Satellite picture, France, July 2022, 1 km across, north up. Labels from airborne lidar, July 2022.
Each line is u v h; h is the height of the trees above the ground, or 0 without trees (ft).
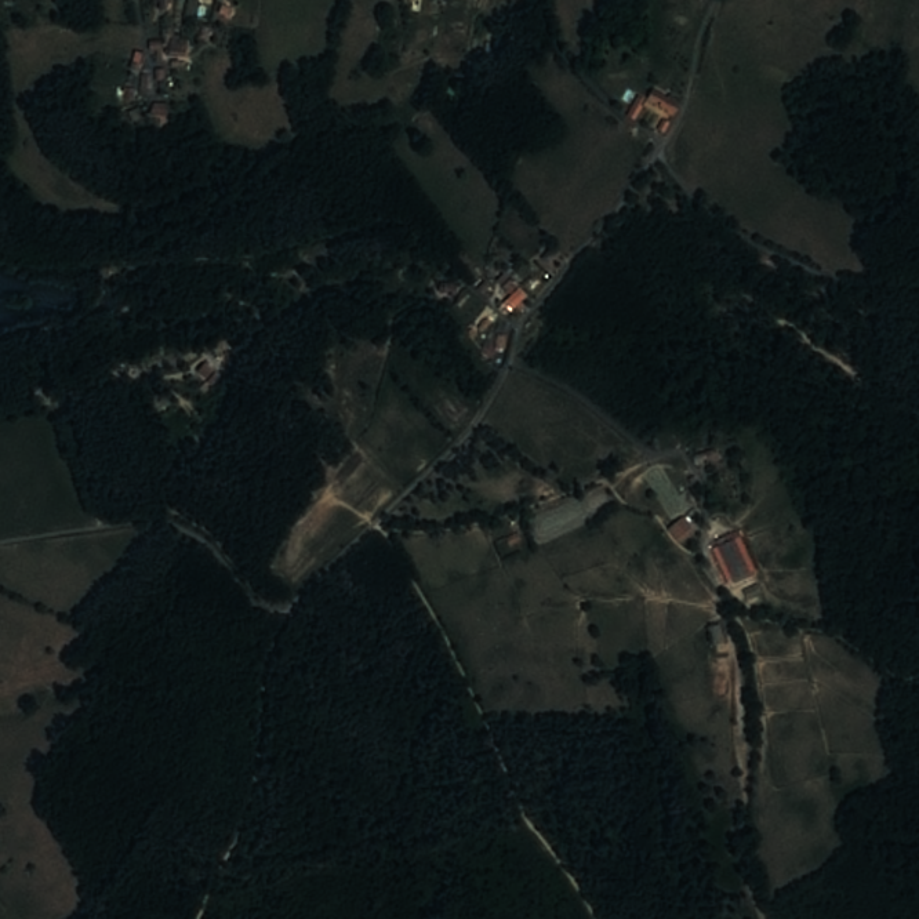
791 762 0
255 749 36
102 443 91
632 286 55
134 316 26
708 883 44
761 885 66
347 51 0
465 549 0
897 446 63
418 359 56
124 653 55
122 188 72
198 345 73
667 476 0
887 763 38
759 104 0
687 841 47
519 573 0
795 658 0
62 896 0
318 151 44
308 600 60
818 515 58
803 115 21
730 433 23
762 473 0
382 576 56
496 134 56
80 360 78
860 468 89
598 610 0
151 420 43
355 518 0
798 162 77
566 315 34
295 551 0
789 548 0
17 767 0
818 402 67
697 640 0
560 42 28
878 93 90
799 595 0
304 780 92
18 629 0
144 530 51
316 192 51
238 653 47
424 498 28
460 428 0
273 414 56
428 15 0
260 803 56
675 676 0
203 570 64
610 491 36
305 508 52
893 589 80
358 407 0
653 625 0
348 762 47
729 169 0
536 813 73
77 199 0
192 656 41
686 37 0
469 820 54
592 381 21
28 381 94
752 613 31
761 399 74
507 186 57
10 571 0
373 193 45
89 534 0
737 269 66
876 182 95
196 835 73
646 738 60
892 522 65
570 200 0
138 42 0
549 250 36
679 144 0
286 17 0
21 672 0
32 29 0
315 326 88
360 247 56
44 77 27
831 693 0
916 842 63
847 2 0
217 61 0
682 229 56
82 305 58
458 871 27
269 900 35
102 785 45
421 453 0
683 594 0
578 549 0
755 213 0
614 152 0
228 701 37
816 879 41
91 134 68
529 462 39
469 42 0
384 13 61
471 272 25
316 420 62
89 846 35
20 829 0
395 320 24
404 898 20
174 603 32
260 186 80
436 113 32
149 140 56
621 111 27
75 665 61
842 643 20
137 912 64
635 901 62
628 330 36
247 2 0
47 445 0
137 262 58
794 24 0
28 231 73
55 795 43
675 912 59
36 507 0
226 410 64
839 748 0
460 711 53
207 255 64
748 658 62
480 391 53
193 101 55
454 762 71
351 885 24
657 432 52
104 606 71
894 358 94
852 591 85
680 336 41
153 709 53
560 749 72
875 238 100
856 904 47
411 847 79
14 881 0
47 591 0
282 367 73
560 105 0
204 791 36
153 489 67
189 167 76
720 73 0
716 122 0
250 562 52
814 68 46
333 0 0
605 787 101
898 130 81
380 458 0
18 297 36
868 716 0
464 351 40
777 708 0
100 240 61
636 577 0
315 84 66
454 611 0
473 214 0
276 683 67
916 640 73
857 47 0
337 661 60
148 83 0
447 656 35
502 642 0
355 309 89
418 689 112
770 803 0
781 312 44
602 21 57
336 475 0
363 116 89
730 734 0
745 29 0
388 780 65
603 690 0
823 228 0
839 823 37
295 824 78
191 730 38
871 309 84
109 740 45
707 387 94
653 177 41
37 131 71
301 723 63
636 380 39
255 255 66
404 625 57
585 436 0
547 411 0
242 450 85
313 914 17
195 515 58
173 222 72
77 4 70
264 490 80
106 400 75
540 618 0
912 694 64
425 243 43
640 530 0
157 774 48
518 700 0
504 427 0
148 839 71
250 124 0
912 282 62
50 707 0
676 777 73
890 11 0
